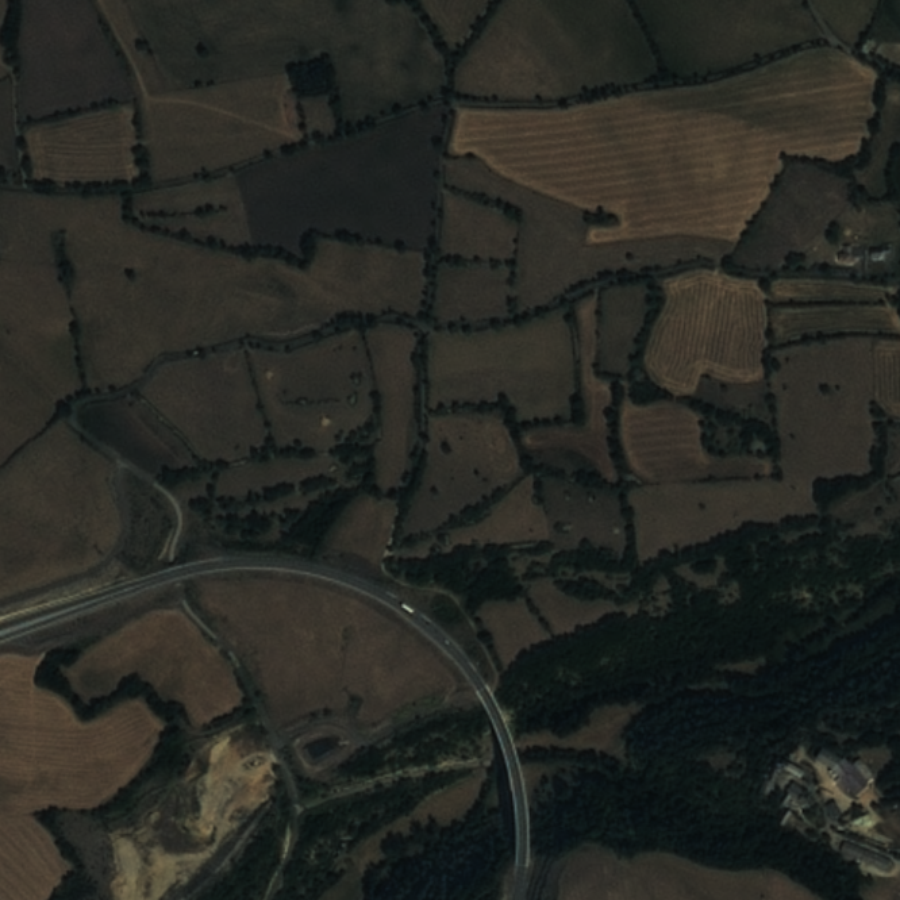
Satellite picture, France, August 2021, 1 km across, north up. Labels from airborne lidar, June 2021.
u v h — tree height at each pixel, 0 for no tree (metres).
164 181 0
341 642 0
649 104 0
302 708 0
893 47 0
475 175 0
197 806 0
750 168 0
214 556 0
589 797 8
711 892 0
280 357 0
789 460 0
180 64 0
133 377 0
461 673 0
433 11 0
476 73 0
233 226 0
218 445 0
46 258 0
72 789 0
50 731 0
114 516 0
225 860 0
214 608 0
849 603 11
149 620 0
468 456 0
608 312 0
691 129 0
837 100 0
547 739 0
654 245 0
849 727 8
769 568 13
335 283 0
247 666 0
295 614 0
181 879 0
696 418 0
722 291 0
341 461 6
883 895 0
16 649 0
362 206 0
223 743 0
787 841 25
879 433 7
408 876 15
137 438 0
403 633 0
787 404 0
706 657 14
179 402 0
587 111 0
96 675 0
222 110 0
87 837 0
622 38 0
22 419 0
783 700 7
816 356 0
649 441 0
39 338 0
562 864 0
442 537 7
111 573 0
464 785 0
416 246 0
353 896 0
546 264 0
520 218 9
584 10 0
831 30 0
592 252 0
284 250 10
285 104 0
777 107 0
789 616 20
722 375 0
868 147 12
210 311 0
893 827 0
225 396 0
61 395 0
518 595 14
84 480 0
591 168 0
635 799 12
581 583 9
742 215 0
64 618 0
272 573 0
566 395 0
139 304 0
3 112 0
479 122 0
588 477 7
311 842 14
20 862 0
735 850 9
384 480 0
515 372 0
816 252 0
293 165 0
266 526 14
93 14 0
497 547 6
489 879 16
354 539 0
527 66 0
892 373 0
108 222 0
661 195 0
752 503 0
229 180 0
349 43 0
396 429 0
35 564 0
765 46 0
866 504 0
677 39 0
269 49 0
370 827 13
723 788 7
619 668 10
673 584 12
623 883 0
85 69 0
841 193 0
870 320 0
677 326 0
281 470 0
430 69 0
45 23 0
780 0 0
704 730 11
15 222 0
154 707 10
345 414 0
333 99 6
